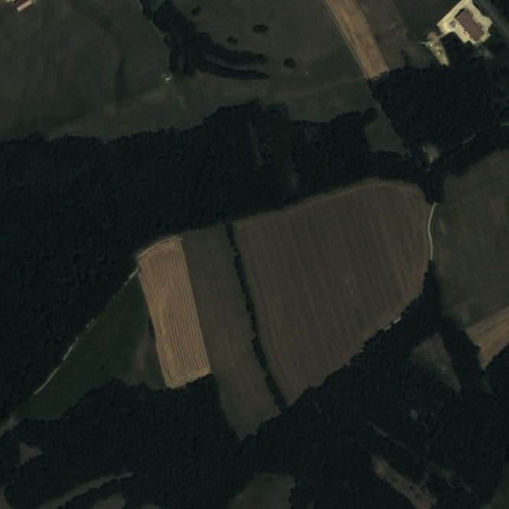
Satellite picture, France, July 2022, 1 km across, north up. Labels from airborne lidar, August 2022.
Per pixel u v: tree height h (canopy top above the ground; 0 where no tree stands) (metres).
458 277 0
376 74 0
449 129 24
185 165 20
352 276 0
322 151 25
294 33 0
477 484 18
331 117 0
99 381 0
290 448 17
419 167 20
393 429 21
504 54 30
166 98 0
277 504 0
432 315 15
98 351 0
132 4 0
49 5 0
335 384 19
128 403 9
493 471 24
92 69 0
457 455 28
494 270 0
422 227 0
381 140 0
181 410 15
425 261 0
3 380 29
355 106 0
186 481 21
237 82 0
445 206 0
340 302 0
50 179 24
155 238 18
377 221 0
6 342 28
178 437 12
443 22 0
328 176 28
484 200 0
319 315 0
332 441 14
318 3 0
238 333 0
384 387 20
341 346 0
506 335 0
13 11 0
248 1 0
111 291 28
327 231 0
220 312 0
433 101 25
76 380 0
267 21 0
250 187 28
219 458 13
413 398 19
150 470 13
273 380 14
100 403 6
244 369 0
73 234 26
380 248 0
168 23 24
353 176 23
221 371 0
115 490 13
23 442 17
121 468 15
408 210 0
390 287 0
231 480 14
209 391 21
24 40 0
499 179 0
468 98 13
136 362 0
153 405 18
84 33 0
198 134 16
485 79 19
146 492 18
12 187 20
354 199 0
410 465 19
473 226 0
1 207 20
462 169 22
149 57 0
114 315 0
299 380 0
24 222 24
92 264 27
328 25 0
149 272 0
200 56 25
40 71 0
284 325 0
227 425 13
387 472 0
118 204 22
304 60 0
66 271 29
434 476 11
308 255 0
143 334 0
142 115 0
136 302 0
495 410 27
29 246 25
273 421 13
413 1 0
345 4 0
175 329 0
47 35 0
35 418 0
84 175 21
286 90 0
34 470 22
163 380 0
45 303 28
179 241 0
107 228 25
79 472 20
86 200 23
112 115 0
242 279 15
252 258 0
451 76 23
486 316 0
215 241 0
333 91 0
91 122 0
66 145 21
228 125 27
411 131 22
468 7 0
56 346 29
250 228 0
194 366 0
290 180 0
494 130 17
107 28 0
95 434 23
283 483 0
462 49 22
